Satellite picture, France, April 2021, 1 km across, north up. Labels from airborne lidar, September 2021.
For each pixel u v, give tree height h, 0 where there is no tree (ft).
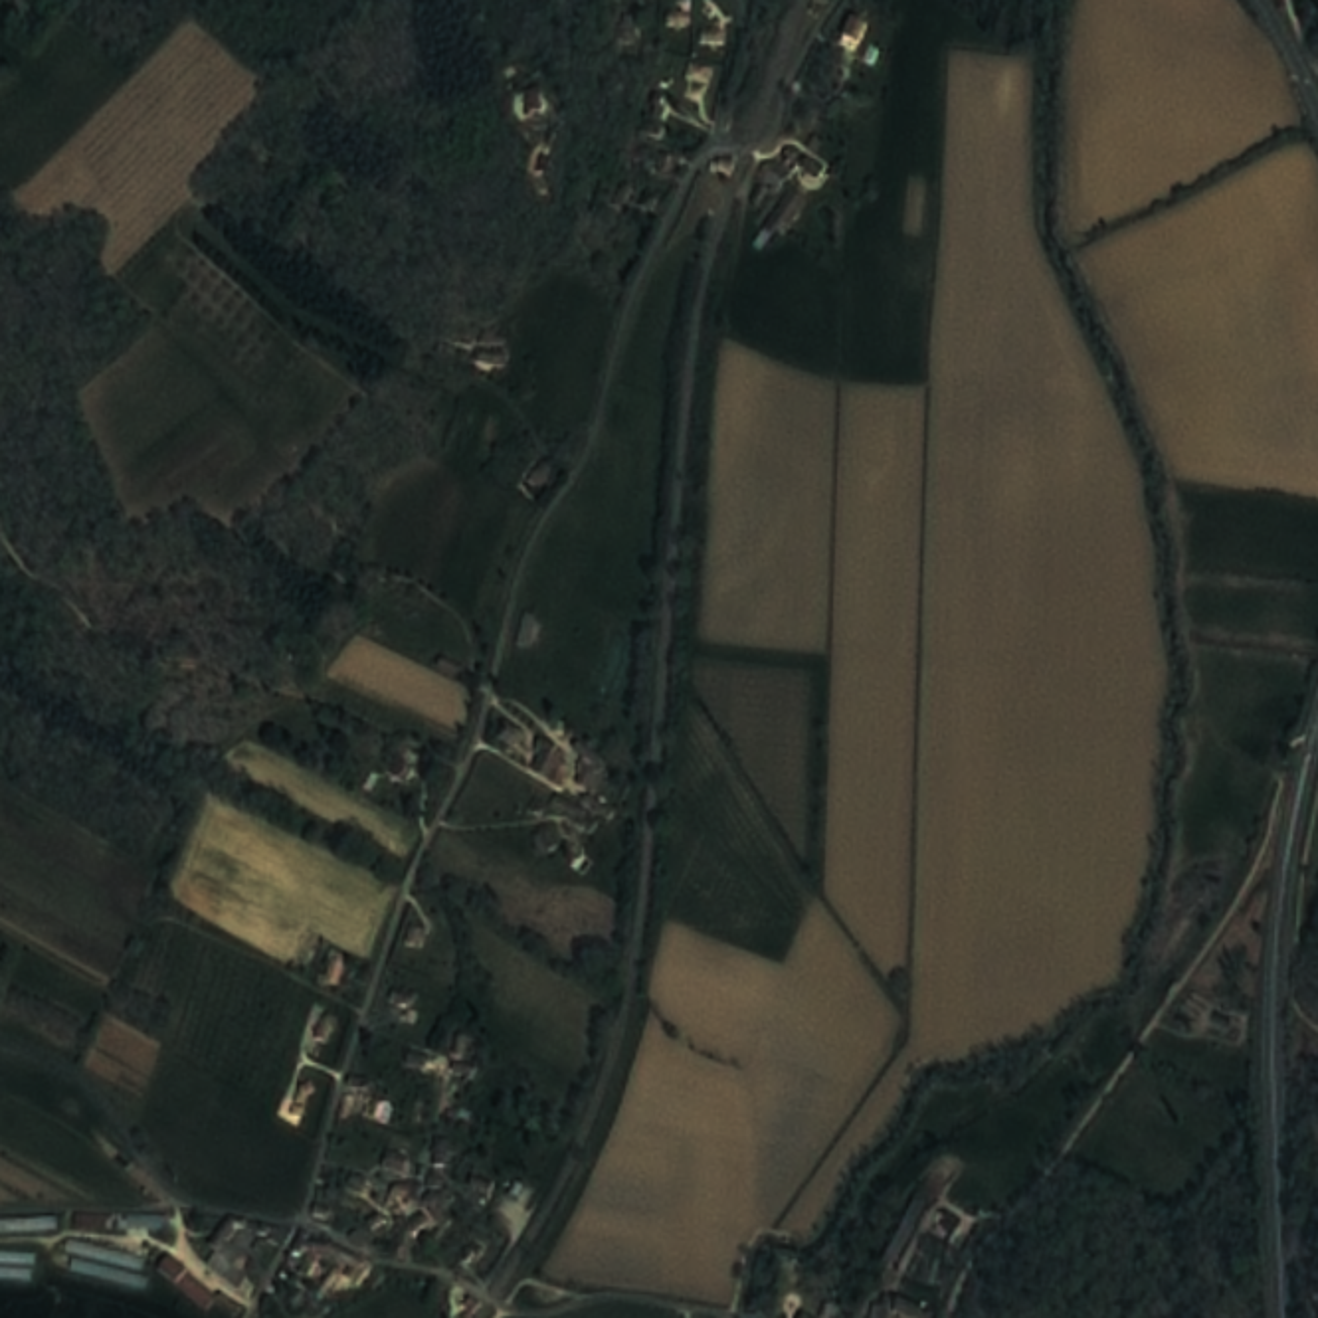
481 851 0
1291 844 0
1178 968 0
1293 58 0
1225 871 0
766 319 0
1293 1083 24
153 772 61
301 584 60
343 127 69
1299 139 21
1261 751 0
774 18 25
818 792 34
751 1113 0
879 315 0
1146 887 30
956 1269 25
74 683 58
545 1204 0
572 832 37
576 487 0
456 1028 21
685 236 0
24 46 48
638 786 46
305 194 59
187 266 20
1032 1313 42
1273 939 0
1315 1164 66
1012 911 0
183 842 53
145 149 0
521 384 21
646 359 0
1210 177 18
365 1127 23
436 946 0
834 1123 0
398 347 51
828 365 0
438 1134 28
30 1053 0
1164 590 25
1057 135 43
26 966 0
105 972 0
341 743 40
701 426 36
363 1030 0
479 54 57
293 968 20
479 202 56
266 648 49
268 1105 0
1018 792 0
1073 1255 57
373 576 43
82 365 49
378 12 59
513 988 0
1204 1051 0
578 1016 0
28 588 46
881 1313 0
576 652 0
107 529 64
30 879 0
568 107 59
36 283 51
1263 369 0
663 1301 0
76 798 58
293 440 0
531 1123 74
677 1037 37
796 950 0
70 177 0
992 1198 0
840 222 57
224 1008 0
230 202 56
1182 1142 0
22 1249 0
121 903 0
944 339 0
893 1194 60
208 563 66
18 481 72
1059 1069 0
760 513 0
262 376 0
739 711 20
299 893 0
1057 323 0
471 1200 18
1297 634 0
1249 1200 30
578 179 70
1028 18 39
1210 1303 97
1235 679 0
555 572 0
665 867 18
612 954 65
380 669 0
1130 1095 0
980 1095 0
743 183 0
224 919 0
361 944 0
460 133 65
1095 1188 95
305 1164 0
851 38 0
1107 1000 50
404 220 53
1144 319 0
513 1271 0
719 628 0
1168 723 55
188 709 50
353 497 69
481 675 34
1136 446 27
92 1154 0
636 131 55
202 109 0
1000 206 0
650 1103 0
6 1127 0
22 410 58
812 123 72
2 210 48
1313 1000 58
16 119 0
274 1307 30
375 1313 0
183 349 0
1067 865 0
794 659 0
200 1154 0
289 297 65
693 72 0
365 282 79
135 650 24
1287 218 0
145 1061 0
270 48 31
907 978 43
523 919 0
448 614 0
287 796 46
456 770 42
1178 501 0
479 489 0
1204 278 0
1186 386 0
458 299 58
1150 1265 82
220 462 0
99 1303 0
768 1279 48
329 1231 21
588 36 77
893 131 0
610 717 35
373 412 51
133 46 21
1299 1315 43
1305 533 0
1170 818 40
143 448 0
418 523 0
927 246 0
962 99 0
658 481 30
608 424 0
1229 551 0
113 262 0
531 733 40
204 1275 0
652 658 54
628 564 0
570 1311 0
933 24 0
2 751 63
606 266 37
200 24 34
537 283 53
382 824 0
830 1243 23
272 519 57
